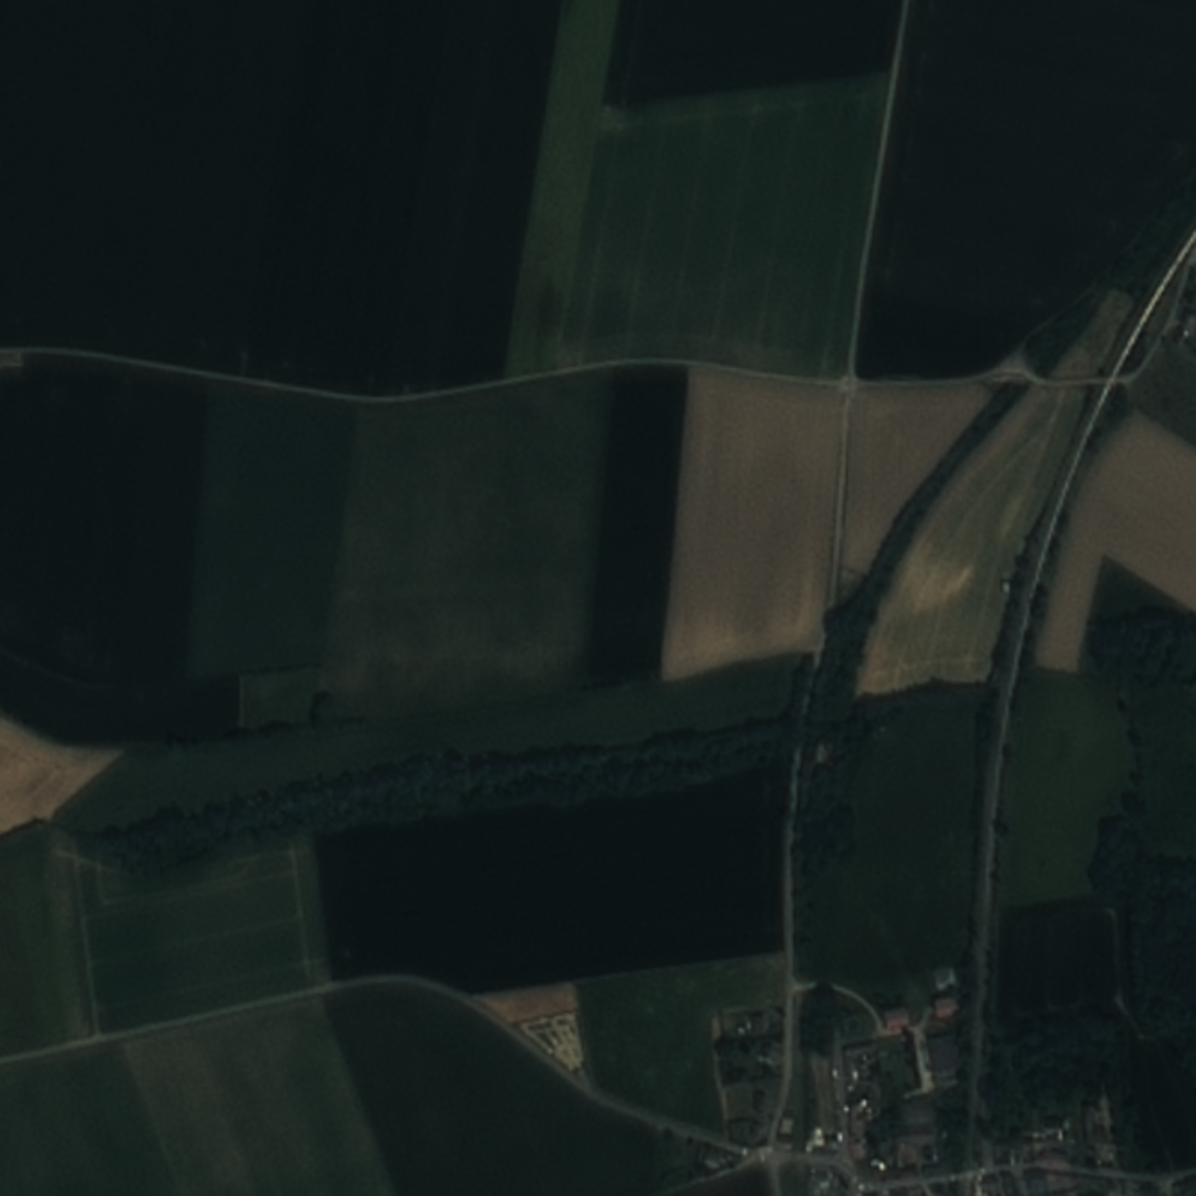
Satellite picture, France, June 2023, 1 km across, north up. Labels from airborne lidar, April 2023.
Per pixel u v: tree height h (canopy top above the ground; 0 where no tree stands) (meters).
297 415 0
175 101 0
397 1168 0
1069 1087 19
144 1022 0
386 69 0
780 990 0
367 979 0
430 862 0
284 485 0
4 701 0
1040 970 0
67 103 0
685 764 10
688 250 0
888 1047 0
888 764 0
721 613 0
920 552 0
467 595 0
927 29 0
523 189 0
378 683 0
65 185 0
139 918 0
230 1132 0
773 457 0
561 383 0
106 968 0
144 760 0
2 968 0
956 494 0
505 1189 0
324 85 0
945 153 0
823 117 0
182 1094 0
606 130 0
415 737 0
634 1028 0
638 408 0
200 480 0
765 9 0
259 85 0
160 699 0
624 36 0
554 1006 0
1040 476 0
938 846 0
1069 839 0
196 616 0
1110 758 0
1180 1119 0
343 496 0
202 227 0
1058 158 0
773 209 0
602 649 0
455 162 0
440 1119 0
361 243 0
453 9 0
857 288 0
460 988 0
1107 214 0
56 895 0
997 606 0
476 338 0
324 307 0
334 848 0
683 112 0
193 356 0
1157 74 0
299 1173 0
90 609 0
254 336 0
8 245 0
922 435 0
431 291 0
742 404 0
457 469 0
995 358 0
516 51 0
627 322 0
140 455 0
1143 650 35
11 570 0
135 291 0
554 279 0
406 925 0
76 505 0
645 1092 0
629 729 0
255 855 0
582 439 0
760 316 0
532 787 17
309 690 0
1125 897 13
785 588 0
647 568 0
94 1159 0
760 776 0
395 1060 0
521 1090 0
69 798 0
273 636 0
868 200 0
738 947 0
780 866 0
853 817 13
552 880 0
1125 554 0
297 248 0
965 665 0
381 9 0
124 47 0
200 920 0
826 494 0
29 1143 0
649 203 0
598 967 0
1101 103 0
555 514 0
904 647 0
